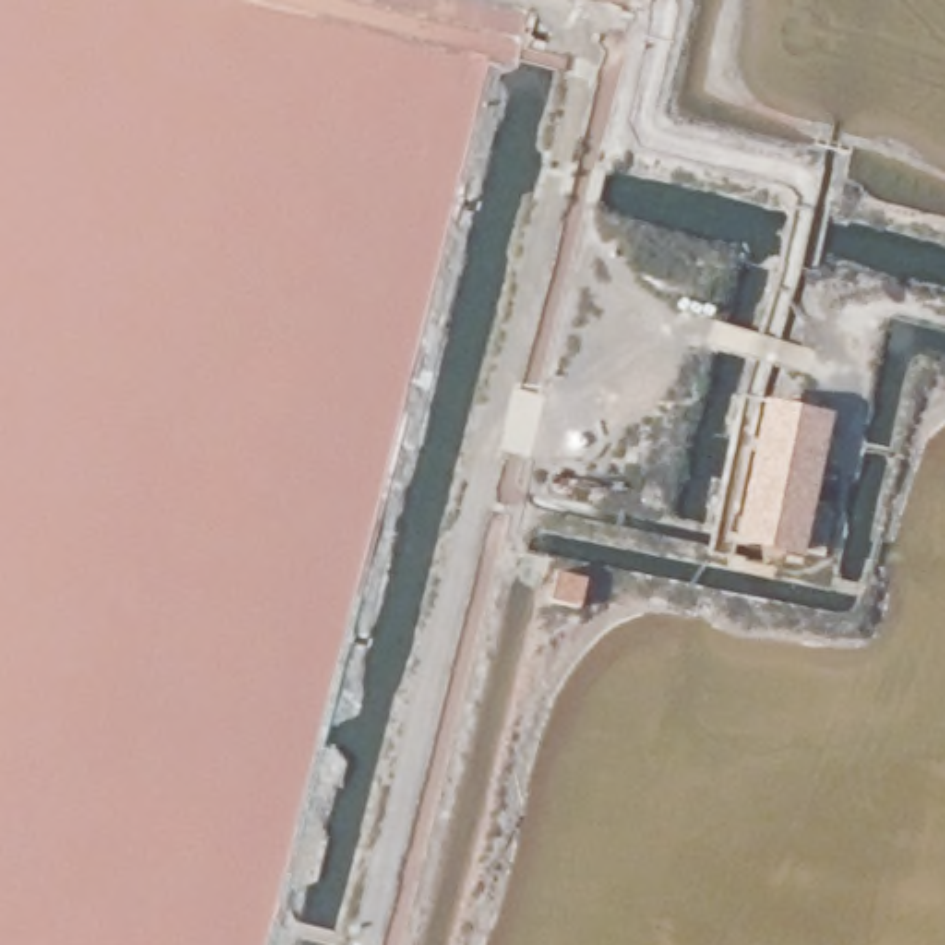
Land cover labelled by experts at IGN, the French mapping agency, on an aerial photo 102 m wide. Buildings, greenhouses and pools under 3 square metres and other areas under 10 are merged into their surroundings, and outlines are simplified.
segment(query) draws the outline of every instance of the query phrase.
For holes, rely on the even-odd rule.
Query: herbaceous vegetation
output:
[[[879,454],[886,461],[860,576],[845,580],[842,554],[812,543],[805,546],[805,557],[797,565],[779,561],[772,580],[853,594],[849,613],[805,609],[746,591],[709,591],[701,583],[664,580],[650,572],[620,572],[620,580],[613,583],[613,598],[657,594],[676,605],[698,605],[712,594],[716,609],[724,609],[731,620],[746,628],[790,628],[831,639],[864,639],[882,624],[882,598],[893,587],[893,565],[879,561],[879,543],[901,535],[901,520],[912,502],[923,454],[930,443],[919,439],[919,425],[930,406],[930,391],[945,388],[945,358],[919,354],[908,365],[890,439],[860,443],[860,454]]]
[[[594,620],[605,605],[583,598],[580,605],[532,602],[528,620],[543,620],[543,628],[550,628],[568,616]]]
[[[628,258],[635,273],[653,273],[687,284],[694,303],[720,306],[727,299],[735,269],[749,255],[746,244],[698,240],[598,207],[602,240],[613,240],[616,255]]]
[[[561,484],[565,495],[580,502],[591,491],[602,491],[602,509],[550,509],[532,528],[532,535],[561,535],[613,550],[727,568],[727,554],[738,554],[742,543],[727,539],[716,539],[716,546],[705,543],[639,535],[624,524],[628,517],[650,517],[668,528],[705,532],[705,520],[679,517],[668,502],[679,487],[679,461],[687,454],[687,436],[694,428],[698,402],[709,384],[709,362],[716,354],[698,351],[679,365],[679,377],[664,391],[661,410],[646,417],[646,461],[631,469],[609,469],[602,476],[576,469],[535,469],[539,484]]]

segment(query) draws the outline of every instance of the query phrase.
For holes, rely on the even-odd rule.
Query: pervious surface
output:
[[[709,362],[709,384],[698,402],[694,428],[687,436],[687,454],[679,461],[679,487],[668,502],[679,517],[705,520],[705,532],[705,543],[716,546],[716,539],[727,539],[731,532],[738,532],[746,513],[757,461],[753,443],[760,439],[768,399],[786,399],[834,413],[823,487],[812,520],[812,543],[842,554],[845,580],[860,576],[886,461],[879,454],[860,454],[860,443],[890,439],[908,365],[897,358],[897,351],[882,347],[882,325],[890,317],[945,329],[945,288],[915,281],[904,295],[890,277],[867,273],[860,262],[838,262],[823,247],[831,225],[871,225],[945,247],[945,218],[875,199],[849,177],[853,151],[871,151],[904,162],[908,170],[919,170],[923,155],[912,144],[890,137],[834,133],[831,122],[805,118],[779,103],[764,103],[746,89],[735,63],[742,0],[720,0],[705,63],[705,92],[757,118],[805,133],[805,144],[786,148],[775,140],[664,114],[668,100],[676,96],[672,81],[679,70],[679,52],[694,15],[694,0],[240,0],[284,15],[332,15],[347,22],[365,22],[417,41],[450,41],[447,55],[473,55],[473,66],[487,74],[487,107],[480,111],[484,133],[465,133],[473,151],[461,151],[461,166],[454,173],[458,185],[450,192],[450,207],[443,218],[432,284],[421,310],[421,336],[410,354],[410,373],[417,380],[402,388],[406,417],[395,417],[395,432],[377,487],[384,509],[373,528],[369,557],[358,557],[362,587],[351,642],[343,664],[332,668],[332,683],[325,694],[329,701],[321,705],[321,735],[314,738],[314,757],[299,794],[277,882],[277,901],[269,908],[262,945],[421,945],[458,786],[465,775],[465,757],[476,731],[476,705],[487,690],[491,653],[498,646],[502,602],[509,594],[509,583],[528,583],[532,602],[580,605],[583,598],[587,576],[568,572],[557,557],[532,554],[532,535],[532,528],[550,509],[602,509],[602,491],[591,491],[580,502],[565,495],[561,484],[539,484],[535,469],[576,469],[602,476],[609,469],[631,469],[646,461],[646,417],[661,410],[664,391],[679,377],[679,365],[698,351],[716,354]],[[447,317],[465,266],[465,240],[473,214],[480,210],[491,140],[509,100],[502,74],[517,66],[550,70],[550,92],[535,129],[543,166],[535,188],[520,199],[509,233],[495,325],[487,336],[487,354],[480,365],[461,454],[447,491],[443,532],[436,539],[421,598],[421,620],[369,783],[336,927],[314,927],[303,923],[303,904],[306,890],[321,875],[325,819],[343,779],[343,757],[336,746],[329,746],[329,727],[362,712],[362,672],[365,653],[373,646],[373,624],[380,616],[388,591],[402,491],[413,480],[417,450],[428,432]],[[520,384],[520,369],[550,277],[557,218],[572,188],[572,151],[587,126],[598,70],[613,70],[620,85],[613,96],[605,137],[591,148],[591,173],[576,214],[580,233],[565,262],[543,365],[535,384]],[[602,240],[598,207],[602,185],[616,170],[646,181],[705,188],[724,199],[753,203],[764,210],[783,210],[779,251],[768,262],[749,255],[735,269],[727,299],[720,306],[694,303],[687,284],[653,273],[635,273],[628,258],[616,255],[613,240]]]
[[[724,609],[716,609],[712,594],[698,605],[676,605],[657,594],[613,598],[605,605],[594,620],[568,616],[550,628],[543,628],[543,620],[528,620],[447,945],[487,945],[513,875],[520,845],[517,819],[528,805],[532,768],[554,701],[576,672],[576,664],[609,631],[639,616],[661,613],[676,620],[705,620],[709,628],[731,639],[786,642],[805,650],[864,650],[864,639],[831,639],[790,628],[746,628],[731,620]]]
[[[945,388],[930,391],[930,406],[919,425],[919,439],[930,443],[945,428]]]

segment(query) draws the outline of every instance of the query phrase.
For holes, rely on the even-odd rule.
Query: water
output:
[[[860,262],[867,273],[890,277],[904,295],[915,281],[945,288],[945,247],[871,225],[831,225],[823,247],[838,262]]]
[[[890,137],[912,144],[923,155],[919,170],[908,170],[904,162],[871,151],[853,151],[849,177],[875,199],[945,218],[945,0],[742,0],[735,63],[746,89],[764,103],[779,103],[805,118],[831,122],[834,133]]]
[[[639,535],[705,543],[705,532],[668,528],[650,517],[628,517],[624,524]]]
[[[502,74],[509,100],[491,140],[480,210],[473,214],[465,240],[465,266],[447,317],[428,432],[417,450],[413,480],[402,491],[388,591],[380,616],[373,624],[373,646],[365,653],[362,672],[362,712],[329,727],[329,746],[336,746],[343,757],[343,779],[325,819],[321,875],[306,890],[303,904],[303,923],[314,927],[336,927],[369,783],[421,620],[421,598],[436,539],[443,532],[447,491],[461,454],[480,365],[487,354],[487,336],[495,325],[509,233],[520,199],[535,188],[543,166],[535,129],[550,92],[550,70],[517,66]]]
[[[532,535],[532,554],[557,557],[568,572],[587,576],[583,598],[605,605],[613,598],[613,583],[620,580],[620,572],[650,572],[664,580],[701,583],[709,591],[746,591],[805,609],[849,613],[853,594],[772,580],[727,568],[613,550],[561,535]]]
[[[694,0],[694,15],[679,52],[679,70],[672,81],[676,96],[668,100],[664,114],[775,140],[786,148],[805,144],[805,133],[757,118],[705,92],[705,63],[720,0]]]
[[[572,188],[557,218],[550,277],[520,369],[520,384],[535,384],[543,365],[565,262],[580,233],[576,214],[591,173],[591,148],[605,137],[613,96],[620,85],[613,70],[598,70],[587,126],[572,151]]]
[[[528,583],[509,583],[509,594],[502,602],[498,646],[491,653],[487,690],[476,705],[476,731],[465,757],[465,775],[458,786],[421,945],[447,945],[528,620],[532,602]]]
[[[616,170],[602,185],[598,207],[698,240],[746,244],[749,255],[768,262],[779,251],[783,210],[764,210],[753,203],[724,199],[705,188],[646,181]]]
[[[864,650],[805,650],[786,642],[731,639],[709,628],[705,620],[676,620],[661,613],[639,616],[609,631],[576,664],[576,672],[554,701],[532,768],[528,805],[517,819],[520,845],[513,875],[487,945],[945,945],[945,428],[930,443],[923,454],[912,502],[901,520],[901,535],[879,543],[879,561],[893,565],[893,587],[882,598],[882,624],[864,639]]]
[[[882,347],[897,351],[897,358],[908,365],[919,354],[945,358],[945,329],[890,317],[882,325]]]
[[[347,22],[332,15],[284,15],[240,0],[0,0],[0,945],[262,945],[269,908],[277,901],[277,882],[299,794],[314,757],[314,738],[321,735],[321,705],[329,701],[325,694],[332,683],[332,668],[343,664],[351,642],[362,587],[358,557],[369,557],[373,528],[384,509],[377,487],[395,432],[395,417],[406,417],[402,388],[417,380],[410,373],[410,354],[421,336],[421,310],[432,284],[443,218],[450,207],[450,192],[458,185],[454,173],[461,166],[461,151],[473,151],[465,133],[484,133],[480,111],[487,107],[487,74],[473,66],[473,55],[447,55],[450,41],[417,41],[365,22]]]

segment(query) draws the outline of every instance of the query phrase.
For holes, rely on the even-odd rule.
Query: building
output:
[[[746,513],[738,532],[731,532],[727,539],[742,543],[738,554],[727,554],[727,568],[772,580],[779,561],[797,565],[805,557],[805,546],[812,543],[812,520],[823,487],[834,413],[786,399],[768,399],[760,439],[753,443],[757,461]]]

